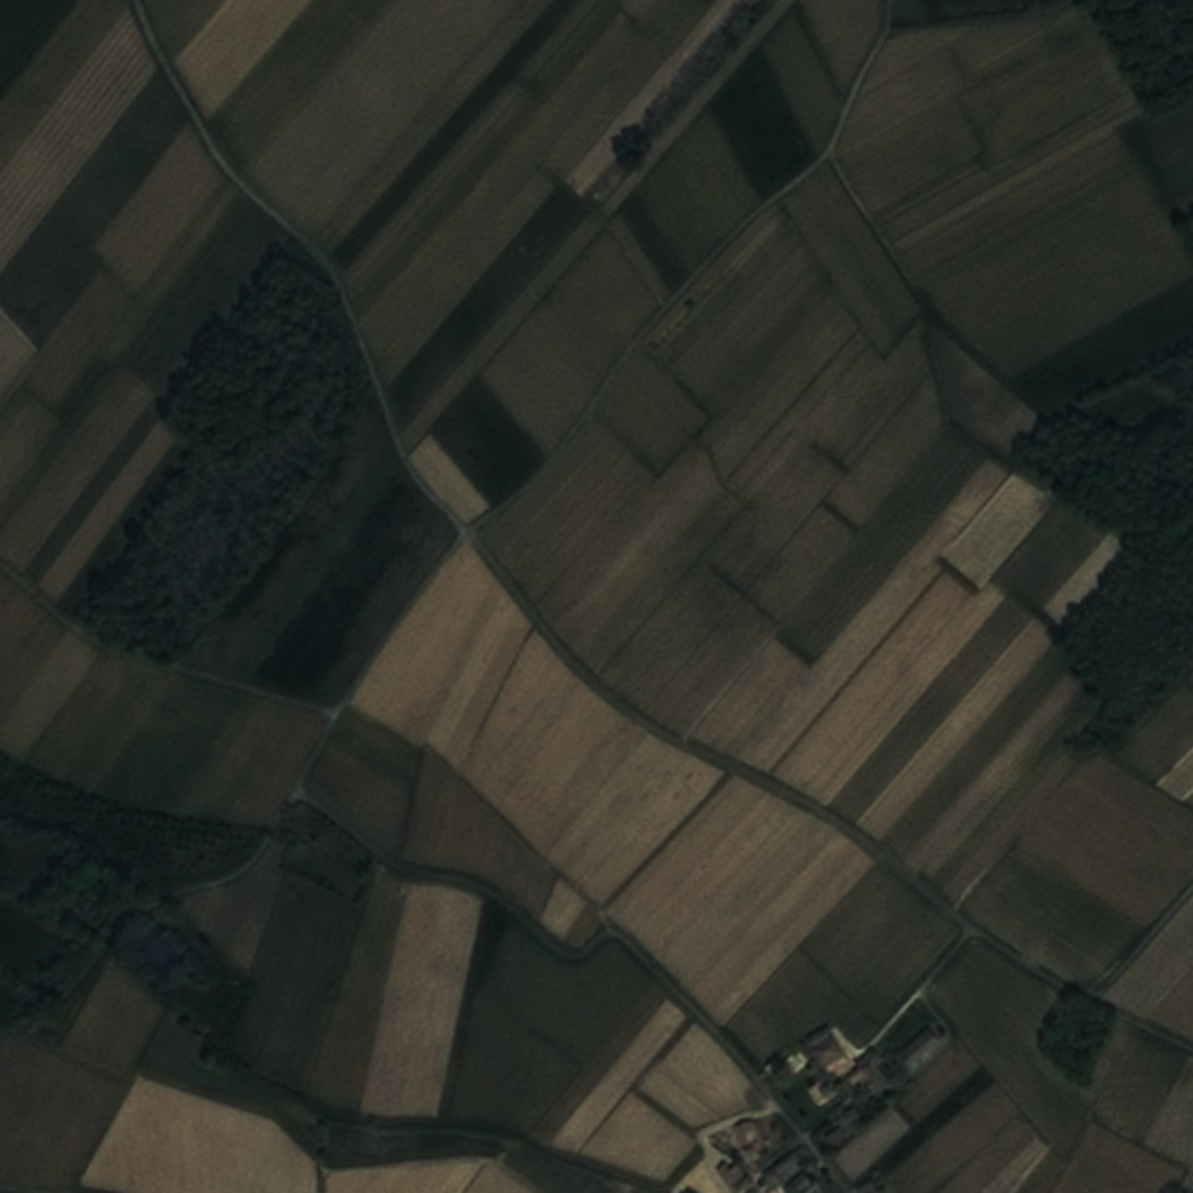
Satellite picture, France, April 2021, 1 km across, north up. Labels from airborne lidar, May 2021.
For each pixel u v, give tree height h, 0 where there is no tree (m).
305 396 19
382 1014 0
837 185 0
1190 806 0
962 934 0
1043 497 0
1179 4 17
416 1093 0
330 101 0
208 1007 0
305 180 0
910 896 0
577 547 0
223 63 0
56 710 0
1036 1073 0
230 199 0
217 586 20
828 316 0
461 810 0
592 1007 0
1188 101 13
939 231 0
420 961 0
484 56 0
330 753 0
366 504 0
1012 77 0
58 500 0
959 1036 0
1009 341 0
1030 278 0
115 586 18
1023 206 0
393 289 0
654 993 0
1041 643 0
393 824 0
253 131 0
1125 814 0
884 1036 0
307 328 14
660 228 0
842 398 0
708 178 0
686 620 0
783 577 0
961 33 0
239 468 16
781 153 0
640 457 0
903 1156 0
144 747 0
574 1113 0
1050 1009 0
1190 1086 0
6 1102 0
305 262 7
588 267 0
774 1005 0
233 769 0
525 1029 0
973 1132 0
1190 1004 0
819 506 0
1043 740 0
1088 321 0
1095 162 0
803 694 0
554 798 0
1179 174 0
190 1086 0
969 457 0
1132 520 16
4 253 0
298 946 0
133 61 0
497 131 0
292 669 0
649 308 0
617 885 0
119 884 19
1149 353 0
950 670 0
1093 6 15
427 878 0
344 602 0
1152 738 0
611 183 0
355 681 0
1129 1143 0
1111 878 0
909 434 0
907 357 0
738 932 0
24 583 0
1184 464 25
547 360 0
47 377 0
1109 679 16
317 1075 0
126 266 0
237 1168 0
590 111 0
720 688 0
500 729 0
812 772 0
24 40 0
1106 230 0
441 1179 0
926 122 0
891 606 0
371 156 0
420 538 0
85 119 0
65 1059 0
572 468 0
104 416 0
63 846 16
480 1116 0
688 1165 0
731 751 0
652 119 11
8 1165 0
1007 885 0
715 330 0
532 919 0
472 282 0
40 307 0
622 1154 0
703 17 0
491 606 0
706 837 0
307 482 17
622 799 0
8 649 0
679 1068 0
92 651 0
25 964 0
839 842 0
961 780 0
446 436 0
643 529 0
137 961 17
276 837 13
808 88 0
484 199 0
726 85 0
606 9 0
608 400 0
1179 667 10
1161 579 15
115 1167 0
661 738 0
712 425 0
